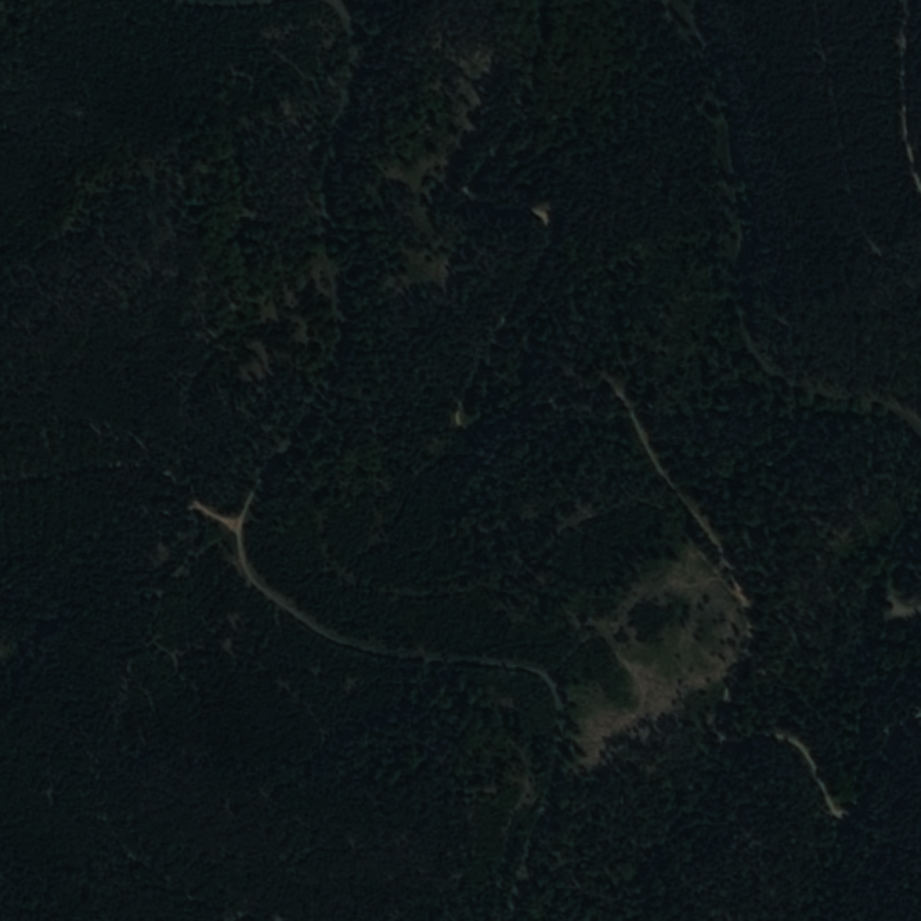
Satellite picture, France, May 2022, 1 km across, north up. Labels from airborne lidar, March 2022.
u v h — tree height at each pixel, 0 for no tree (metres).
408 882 21
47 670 19
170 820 14
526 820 6
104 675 15
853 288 27
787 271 27
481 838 6
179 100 15
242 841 13
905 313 25
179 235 18
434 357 33
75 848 16
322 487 7
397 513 10
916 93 19
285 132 0
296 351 13
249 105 10
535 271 25
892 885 27
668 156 29
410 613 7
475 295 26
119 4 14
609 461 31
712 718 37
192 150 18
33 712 18
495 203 33
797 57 14
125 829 16
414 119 27
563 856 32
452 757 24
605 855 33
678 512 11
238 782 19
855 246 15
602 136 31
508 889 13
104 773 20
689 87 37
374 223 26
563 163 29
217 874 11
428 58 28
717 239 16
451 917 22
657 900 28
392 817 18
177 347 25
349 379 34
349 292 31
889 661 35
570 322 39
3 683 21
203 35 15
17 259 17
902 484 35
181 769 15
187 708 10
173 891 13
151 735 10
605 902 34
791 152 17
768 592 13
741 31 22
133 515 16
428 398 32
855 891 32
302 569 10
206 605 11
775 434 39
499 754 25
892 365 25
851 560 16
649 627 8
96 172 8
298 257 8
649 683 0
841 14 11
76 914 17
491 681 6
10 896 27
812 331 28
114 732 18
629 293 6
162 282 21
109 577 16
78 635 20
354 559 12
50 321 22
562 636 7
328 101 32
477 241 26
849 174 10
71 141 10
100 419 20
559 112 34
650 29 33
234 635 10
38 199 9
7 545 13
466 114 0
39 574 26
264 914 17
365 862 16
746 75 27
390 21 29
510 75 24
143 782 19
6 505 16
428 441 30
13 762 10
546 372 32
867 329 22
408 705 25
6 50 15
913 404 28
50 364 24
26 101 15
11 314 20
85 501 19
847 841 39
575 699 0
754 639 26
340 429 28
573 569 10
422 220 0
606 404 32
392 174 0
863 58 15
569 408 29
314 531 10
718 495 33
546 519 10
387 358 36
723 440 40
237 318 22
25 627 28
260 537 10
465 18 33
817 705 34
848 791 31
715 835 24
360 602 11
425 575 9
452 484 14
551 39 32
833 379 21
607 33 30
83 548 21
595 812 27
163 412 22
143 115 14
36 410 15
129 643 16
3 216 14
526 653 10
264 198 34
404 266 22
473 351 17
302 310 12
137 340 23
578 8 30
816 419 38
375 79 31
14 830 17
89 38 14
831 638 9
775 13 18
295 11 7
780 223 30
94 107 13
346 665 9
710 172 32
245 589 11
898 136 15
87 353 21
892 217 17
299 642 9
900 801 24
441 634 9
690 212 28
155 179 13
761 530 10
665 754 33
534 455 31
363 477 32
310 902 19
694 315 6
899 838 25
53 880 21
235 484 24
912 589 28
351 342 32
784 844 27
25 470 12
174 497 23
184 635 9
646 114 30
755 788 28
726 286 10
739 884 28
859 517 27
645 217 30
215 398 22
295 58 8
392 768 25
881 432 35
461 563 10
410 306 32
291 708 10
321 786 18
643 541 10
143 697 10
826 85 10
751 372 28
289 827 17
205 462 22
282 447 0
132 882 13
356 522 12
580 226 30
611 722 0
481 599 8
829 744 33
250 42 10
